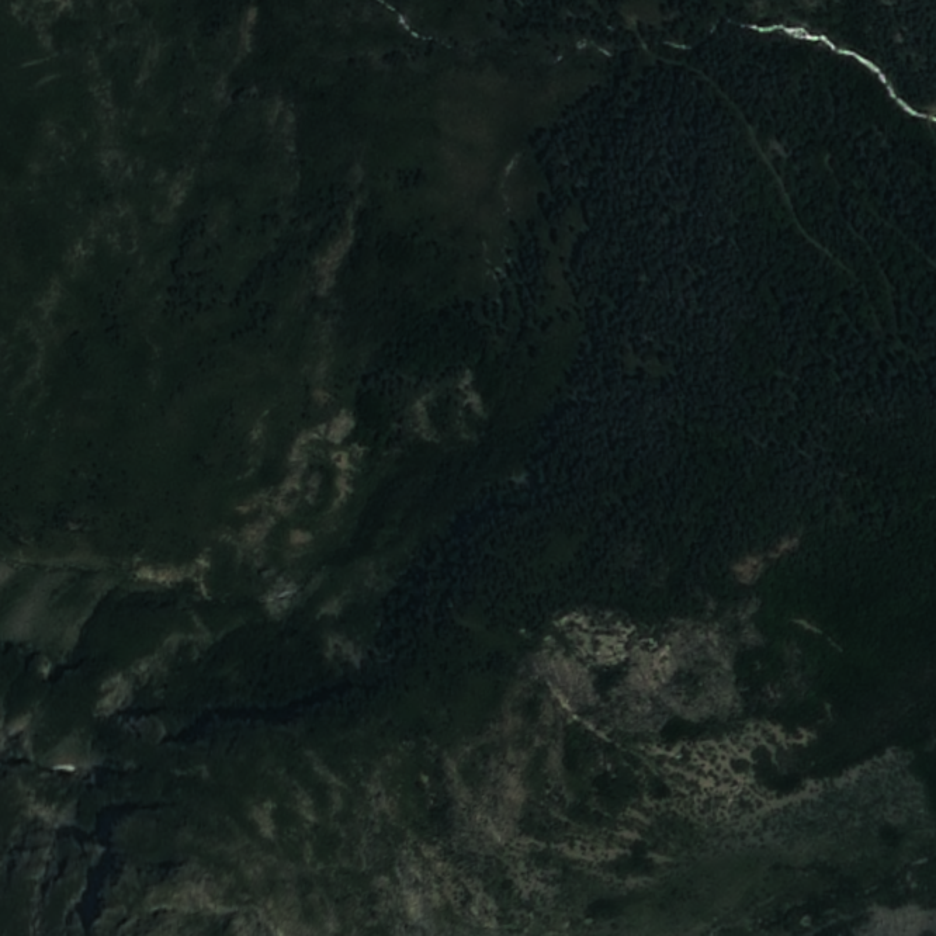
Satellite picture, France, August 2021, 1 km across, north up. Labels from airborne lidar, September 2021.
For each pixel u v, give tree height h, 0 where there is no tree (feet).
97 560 0
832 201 44
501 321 28
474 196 0
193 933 0
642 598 23
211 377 0
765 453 74
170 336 0
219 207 0
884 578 39
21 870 0
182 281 36
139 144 0
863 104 66
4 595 0
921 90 52
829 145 35
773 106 53
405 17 0
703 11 53
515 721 0
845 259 46
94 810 0
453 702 0
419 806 0
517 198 0
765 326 57
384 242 25
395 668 23
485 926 0
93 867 0
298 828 0
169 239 0
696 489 33
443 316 39
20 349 0
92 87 0
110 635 0
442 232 0
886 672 25
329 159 20
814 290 62
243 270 0
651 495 34
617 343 60
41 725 0
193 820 0
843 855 0
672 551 26
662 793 24
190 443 0
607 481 42
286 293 0
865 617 38
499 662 21
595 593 30
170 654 0
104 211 0
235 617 0
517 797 0
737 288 82
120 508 0
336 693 30
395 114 0
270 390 0
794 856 0
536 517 24
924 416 30
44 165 0
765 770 23
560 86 0
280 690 20
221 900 0
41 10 0
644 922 0
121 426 0
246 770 0
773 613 39
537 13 28
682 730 37
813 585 43
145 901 0
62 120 0
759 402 54
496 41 0
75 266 0
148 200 0
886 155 27
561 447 73
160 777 0
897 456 34
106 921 0
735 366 59
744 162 32
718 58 41
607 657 0
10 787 0
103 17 0
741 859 0
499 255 0
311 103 19
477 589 28
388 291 39
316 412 0
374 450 26
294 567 0
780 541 21
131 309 0
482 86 0
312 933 0
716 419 61
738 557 32
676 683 23
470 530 25
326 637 0
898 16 31
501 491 40
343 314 23
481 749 27
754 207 37
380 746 0
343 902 0
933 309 37
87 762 0
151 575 0
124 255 0
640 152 59
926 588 27
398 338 27
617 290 38
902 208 106
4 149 0
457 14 0
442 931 0
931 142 56
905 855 0
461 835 22
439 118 0
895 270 64
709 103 46
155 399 0
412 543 0
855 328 21
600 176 56
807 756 21
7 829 0
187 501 0
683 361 59
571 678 0
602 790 32
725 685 0
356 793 0
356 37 0
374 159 0
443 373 22
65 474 0
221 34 31
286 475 0
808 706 27
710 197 62
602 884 0
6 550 0
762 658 25
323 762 0
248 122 0
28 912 0
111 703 0
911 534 31
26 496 0
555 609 18
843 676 40
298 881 0
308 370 0
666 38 33
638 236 52
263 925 0
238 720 27
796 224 21
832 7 56
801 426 35
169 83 0
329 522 0
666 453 63
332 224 27
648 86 52
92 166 0
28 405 0
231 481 0
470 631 22
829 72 50
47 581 0
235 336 23
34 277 0
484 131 0
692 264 61
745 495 44
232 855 0
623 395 58
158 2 0
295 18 0
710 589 24
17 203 0
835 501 84
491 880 22
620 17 44
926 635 25
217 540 0
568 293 0
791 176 27
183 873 0
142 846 0
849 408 51
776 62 53
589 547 27
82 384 0
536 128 0
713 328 56
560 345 0
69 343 0
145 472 0
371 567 0
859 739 28
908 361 94
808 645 26
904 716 28
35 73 0
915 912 0
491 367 52
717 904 0
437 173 0
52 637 0
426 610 61
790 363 73
